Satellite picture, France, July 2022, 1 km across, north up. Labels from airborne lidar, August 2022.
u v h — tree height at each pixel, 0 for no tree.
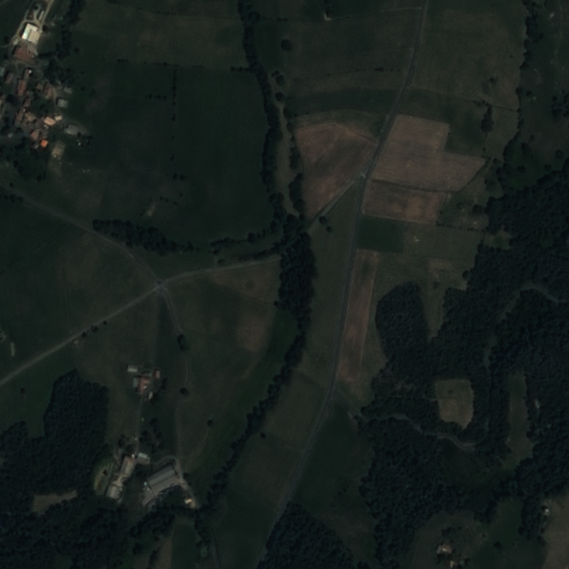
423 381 9
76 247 0
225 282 0
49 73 10
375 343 0
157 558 13
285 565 12
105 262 0
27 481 14
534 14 17
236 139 0
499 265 9
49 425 19
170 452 0
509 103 0
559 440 28
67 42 13
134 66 0
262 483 0
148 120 0
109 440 0
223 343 0
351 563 15
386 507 28
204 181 0
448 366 10
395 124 0
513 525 0
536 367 18
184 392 15
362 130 0
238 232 0
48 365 0
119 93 0
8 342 0
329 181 0
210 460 0
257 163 0
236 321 0
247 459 0
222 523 0
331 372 0
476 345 17
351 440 0
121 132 0
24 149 17
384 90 0
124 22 0
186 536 0
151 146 0
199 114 0
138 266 0
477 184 0
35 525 28
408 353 9
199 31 0
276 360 0
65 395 18
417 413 11
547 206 19
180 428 0
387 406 11
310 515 13
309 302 28
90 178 0
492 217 12
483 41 0
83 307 0
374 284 0
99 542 24
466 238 0
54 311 0
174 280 0
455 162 0
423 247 0
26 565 17
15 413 0
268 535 0
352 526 0
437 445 20
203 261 0
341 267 0
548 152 0
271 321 0
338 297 0
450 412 0
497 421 19
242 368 0
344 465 0
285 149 0
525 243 13
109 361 0
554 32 0
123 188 0
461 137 0
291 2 0
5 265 0
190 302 0
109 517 24
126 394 0
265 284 0
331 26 0
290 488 0
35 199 0
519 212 16
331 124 0
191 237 0
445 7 0
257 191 0
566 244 23
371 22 0
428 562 0
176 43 0
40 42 0
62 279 0
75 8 15
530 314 10
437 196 0
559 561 0
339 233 0
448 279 0
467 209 0
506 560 0
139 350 0
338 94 0
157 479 0
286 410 0
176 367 0
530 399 16
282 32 0
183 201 0
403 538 27
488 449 17
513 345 21
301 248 27
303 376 0
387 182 0
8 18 0
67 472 11
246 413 0
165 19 0
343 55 0
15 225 0
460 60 0
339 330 0
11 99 16
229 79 0
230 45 0
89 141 8
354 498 0
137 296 0
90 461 7
